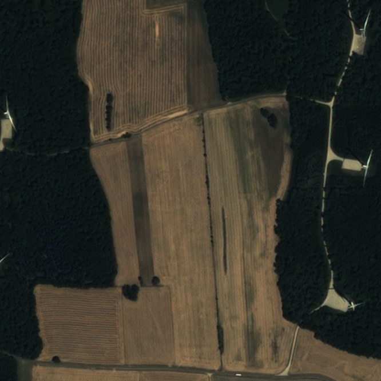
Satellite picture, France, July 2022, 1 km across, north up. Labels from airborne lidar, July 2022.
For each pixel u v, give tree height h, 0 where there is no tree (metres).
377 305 22
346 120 11
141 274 0
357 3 24
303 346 0
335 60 16
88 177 22
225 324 0
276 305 0
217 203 0
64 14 25
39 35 25
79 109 20
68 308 0
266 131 0
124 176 0
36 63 25
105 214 20
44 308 0
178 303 0
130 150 0
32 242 21
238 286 0
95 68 0
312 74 25
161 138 0
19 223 21
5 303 22
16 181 17
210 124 0
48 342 0
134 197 0
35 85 23
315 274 18
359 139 6
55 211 19
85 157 20
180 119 0
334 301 0
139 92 0
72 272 20
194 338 0
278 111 0
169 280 0
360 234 21
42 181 20
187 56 0
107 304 0
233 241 0
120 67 0
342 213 20
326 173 0
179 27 0
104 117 0
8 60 23
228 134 0
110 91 0
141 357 0
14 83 22
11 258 22
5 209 18
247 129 0
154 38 0
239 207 0
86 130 20
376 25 24
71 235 20
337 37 21
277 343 0
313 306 20
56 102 24
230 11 18
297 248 20
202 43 0
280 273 16
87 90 14
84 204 25
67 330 0
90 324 0
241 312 0
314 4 22
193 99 0
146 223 0
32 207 23
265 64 26
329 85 7
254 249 0
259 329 0
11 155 21
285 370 0
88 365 0
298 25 21
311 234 18
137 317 0
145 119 0
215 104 0
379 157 7
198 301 0
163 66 0
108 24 0
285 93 0
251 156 0
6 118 0
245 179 0
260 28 18
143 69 0
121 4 0
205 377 0
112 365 0
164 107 0
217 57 19
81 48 0
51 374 0
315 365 0
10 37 22
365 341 23
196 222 0
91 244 26
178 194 0
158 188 0
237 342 0
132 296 20
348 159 0
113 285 9
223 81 14
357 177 6
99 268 23
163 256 0
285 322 0
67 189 24
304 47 22
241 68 29
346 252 21
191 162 0
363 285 22
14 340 20
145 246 0
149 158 0
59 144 22
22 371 0
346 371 0
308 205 19
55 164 24
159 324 0
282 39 8
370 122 12
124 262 0
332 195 17
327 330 18
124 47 0
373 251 20
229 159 0
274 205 0
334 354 0
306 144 6
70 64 23
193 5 0
